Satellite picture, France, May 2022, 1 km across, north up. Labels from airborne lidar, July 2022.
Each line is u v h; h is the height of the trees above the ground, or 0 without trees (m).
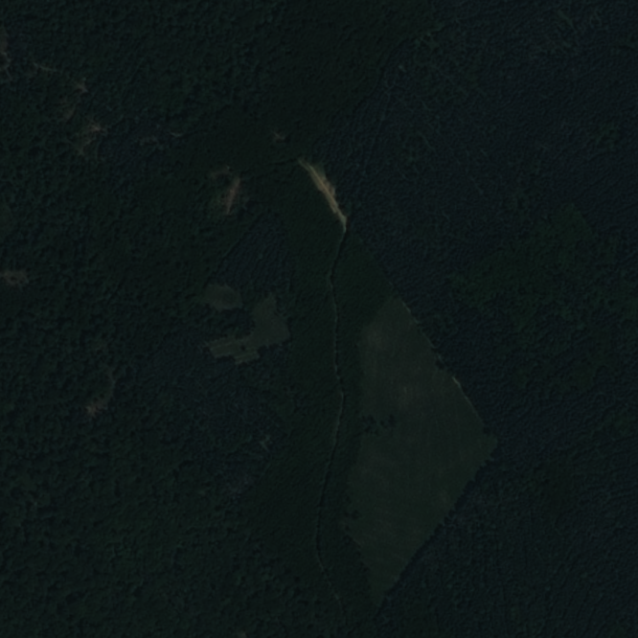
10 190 18
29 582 22
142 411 25
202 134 14
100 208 13
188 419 12
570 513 22
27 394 17
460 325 21
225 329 19
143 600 22
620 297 13
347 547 17
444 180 21
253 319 13
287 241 9
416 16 9
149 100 15
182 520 20
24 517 15
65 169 20
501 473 14
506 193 23
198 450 13
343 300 9
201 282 10
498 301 21
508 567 15
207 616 23
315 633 21
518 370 18
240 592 25
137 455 18
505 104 20
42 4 12
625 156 23
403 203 22
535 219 20
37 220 9
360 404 12
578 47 22
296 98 15
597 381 16
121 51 11
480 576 13
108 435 19
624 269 19
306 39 20
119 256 8
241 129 15
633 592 18
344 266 14
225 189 8
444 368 20
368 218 24
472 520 15
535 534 16
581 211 23
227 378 16
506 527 11
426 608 15
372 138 19
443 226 23
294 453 11
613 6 25
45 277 10
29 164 15
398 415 0
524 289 17
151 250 10
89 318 8
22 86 15
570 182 21
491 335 21
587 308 14
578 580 11
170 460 22
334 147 22
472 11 21
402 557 0
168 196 13
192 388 15
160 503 20
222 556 22
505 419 19
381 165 21
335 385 13
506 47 21
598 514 21
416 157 25
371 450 0
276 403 8
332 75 21
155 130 20
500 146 23
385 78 23
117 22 19
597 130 27
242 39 20
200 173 9
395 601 17
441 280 21
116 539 25
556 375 22
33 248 18
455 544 13
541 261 16
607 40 22
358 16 11
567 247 19
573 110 24
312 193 11
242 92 22
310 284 10
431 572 14
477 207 22
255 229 21
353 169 19
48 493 24
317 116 21
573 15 21
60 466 20
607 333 13
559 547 16
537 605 20
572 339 20
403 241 24
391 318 0
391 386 0
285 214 14
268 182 15
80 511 22
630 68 23
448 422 0
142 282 21
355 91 14
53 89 9
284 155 12
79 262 10
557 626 9
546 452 24
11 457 20
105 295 20
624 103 21
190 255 11
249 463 17
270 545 14
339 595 9
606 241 21
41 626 20
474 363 23
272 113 17
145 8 20
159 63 21
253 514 13
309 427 12
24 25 16
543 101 24
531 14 23
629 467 11
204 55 19
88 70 17
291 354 10
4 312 13
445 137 22
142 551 26
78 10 16
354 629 13
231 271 15
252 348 0
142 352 13
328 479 12
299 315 10
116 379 7
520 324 22
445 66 20
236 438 18
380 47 17
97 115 9
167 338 16
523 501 14
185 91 20
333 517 16
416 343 0
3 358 17
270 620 21
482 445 0
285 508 14
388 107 22
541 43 21
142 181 10
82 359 19
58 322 7
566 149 21
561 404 21
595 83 24
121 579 21
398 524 0
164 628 20
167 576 19
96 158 8
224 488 20
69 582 25
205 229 10
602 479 13
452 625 13
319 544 14
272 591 27
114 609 19
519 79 23
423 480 0
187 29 16
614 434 15
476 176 21
